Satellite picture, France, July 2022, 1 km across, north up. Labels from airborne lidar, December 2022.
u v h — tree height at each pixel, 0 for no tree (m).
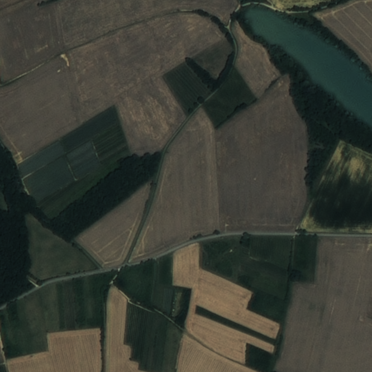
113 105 0
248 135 0
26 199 22
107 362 0
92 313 0
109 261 0
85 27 0
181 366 0
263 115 0
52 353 0
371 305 0
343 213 0
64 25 0
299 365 0
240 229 0
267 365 6
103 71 0
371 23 0
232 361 0
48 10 0
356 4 0
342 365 0
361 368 0
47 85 0
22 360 0
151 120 0
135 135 0
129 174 23
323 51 0
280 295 0
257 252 0
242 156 0
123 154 0
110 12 0
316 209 0
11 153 14
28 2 0
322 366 0
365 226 0
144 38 0
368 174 0
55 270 0
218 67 0
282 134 0
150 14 0
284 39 0
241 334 0
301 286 0
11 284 18
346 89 0
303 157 0
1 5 0
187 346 0
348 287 0
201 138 0
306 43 0
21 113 0
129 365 0
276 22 0
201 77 17
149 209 0
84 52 0
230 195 0
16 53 0
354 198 0
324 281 0
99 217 9
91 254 0
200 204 0
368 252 0
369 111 0
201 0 0
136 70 0
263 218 0
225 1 0
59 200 0
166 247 0
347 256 0
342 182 0
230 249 0
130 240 0
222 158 0
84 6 0
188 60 15
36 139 0
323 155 12
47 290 0
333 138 16
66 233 10
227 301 0
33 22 0
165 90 0
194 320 0
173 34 0
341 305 0
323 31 9
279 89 0
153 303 0
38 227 0
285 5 0
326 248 0
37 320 0
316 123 13
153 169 16
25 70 0
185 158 0
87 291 0
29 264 23
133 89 0
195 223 0
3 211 16
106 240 0
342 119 17
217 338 0
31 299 0
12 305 12
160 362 0
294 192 0
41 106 0
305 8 8
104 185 17
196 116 0
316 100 14
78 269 0
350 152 0
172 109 0
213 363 0
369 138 21
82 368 0
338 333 0
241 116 0
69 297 0
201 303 0
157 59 0
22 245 18
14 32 0
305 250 0
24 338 0
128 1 0
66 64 0
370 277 0
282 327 0
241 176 0
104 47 0
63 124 0
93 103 0
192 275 0
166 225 0
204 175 0
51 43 0
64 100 0
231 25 0
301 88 10
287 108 0
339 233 0
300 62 0
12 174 23
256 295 0
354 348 0
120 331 0
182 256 0
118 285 11
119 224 0
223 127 0
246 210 0
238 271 0
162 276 0
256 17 0
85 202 9
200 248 0
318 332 0
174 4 0
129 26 0
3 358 0
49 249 0
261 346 0
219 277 0
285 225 0
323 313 0
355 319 0
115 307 0
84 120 0
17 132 0
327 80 0
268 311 0
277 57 15
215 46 0
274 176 0
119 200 14
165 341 0
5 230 21
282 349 0
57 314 0
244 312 0
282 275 0
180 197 0
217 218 0
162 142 0
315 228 0
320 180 0
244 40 0
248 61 0
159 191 0
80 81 0
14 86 0
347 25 0
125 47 0
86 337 0
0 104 0
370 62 0
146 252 0
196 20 0
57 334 0
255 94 0
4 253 20
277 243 0
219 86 17
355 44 0
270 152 0
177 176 0
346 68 0
